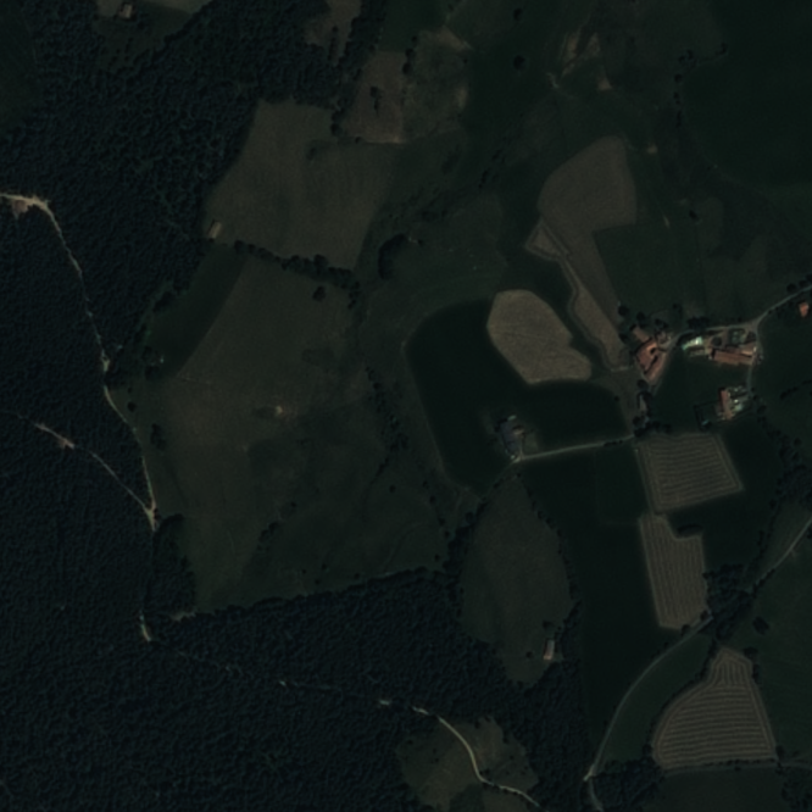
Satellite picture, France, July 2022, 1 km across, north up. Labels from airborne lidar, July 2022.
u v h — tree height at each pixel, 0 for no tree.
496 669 24
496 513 0
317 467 0
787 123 0
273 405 0
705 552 0
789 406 0
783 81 0
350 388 0
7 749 15
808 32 0
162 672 21
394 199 0
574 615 11
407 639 31
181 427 0
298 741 24
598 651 0
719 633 13
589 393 0
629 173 0
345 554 0
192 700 20
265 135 0
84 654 15
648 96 0
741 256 0
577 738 15
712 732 0
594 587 0
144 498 20
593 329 0
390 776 26
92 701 19
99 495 29
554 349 0
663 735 0
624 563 0
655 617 0
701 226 0
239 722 21
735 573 16
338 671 28
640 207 0
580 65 0
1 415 21
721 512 0
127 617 21
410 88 0
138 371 14
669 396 0
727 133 0
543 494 0
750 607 18
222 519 0
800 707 0
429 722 18
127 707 16
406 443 12
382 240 0
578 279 0
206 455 0
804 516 0
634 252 0
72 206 19
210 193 10
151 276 16
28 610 18
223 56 8
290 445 0
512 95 0
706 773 0
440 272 0
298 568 0
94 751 24
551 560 0
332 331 0
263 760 15
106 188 17
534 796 12
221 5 17
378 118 0
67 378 20
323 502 0
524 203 0
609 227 0
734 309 0
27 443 18
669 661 0
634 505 0
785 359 0
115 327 20
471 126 0
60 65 16
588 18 0
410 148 0
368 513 0
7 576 20
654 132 0
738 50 0
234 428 0
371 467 0
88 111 14
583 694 13
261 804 23
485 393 0
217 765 22
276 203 0
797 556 0
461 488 0
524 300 0
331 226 0
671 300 0
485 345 0
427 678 29
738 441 0
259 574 0
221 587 0
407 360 0
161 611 24
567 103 0
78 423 22
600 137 0
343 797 24
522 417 0
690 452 0
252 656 21
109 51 10
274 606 15
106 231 20
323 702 25
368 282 0
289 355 0
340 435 0
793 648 0
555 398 0
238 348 0
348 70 13
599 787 11
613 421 0
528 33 0
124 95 14
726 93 0
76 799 22
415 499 0
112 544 26
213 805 26
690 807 0
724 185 0
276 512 0
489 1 0
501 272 0
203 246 17
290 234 0
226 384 0
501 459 0
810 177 0
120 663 30
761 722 0
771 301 0
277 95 16
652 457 0
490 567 0
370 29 13
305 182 0
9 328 20
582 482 0
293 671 24
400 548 0
